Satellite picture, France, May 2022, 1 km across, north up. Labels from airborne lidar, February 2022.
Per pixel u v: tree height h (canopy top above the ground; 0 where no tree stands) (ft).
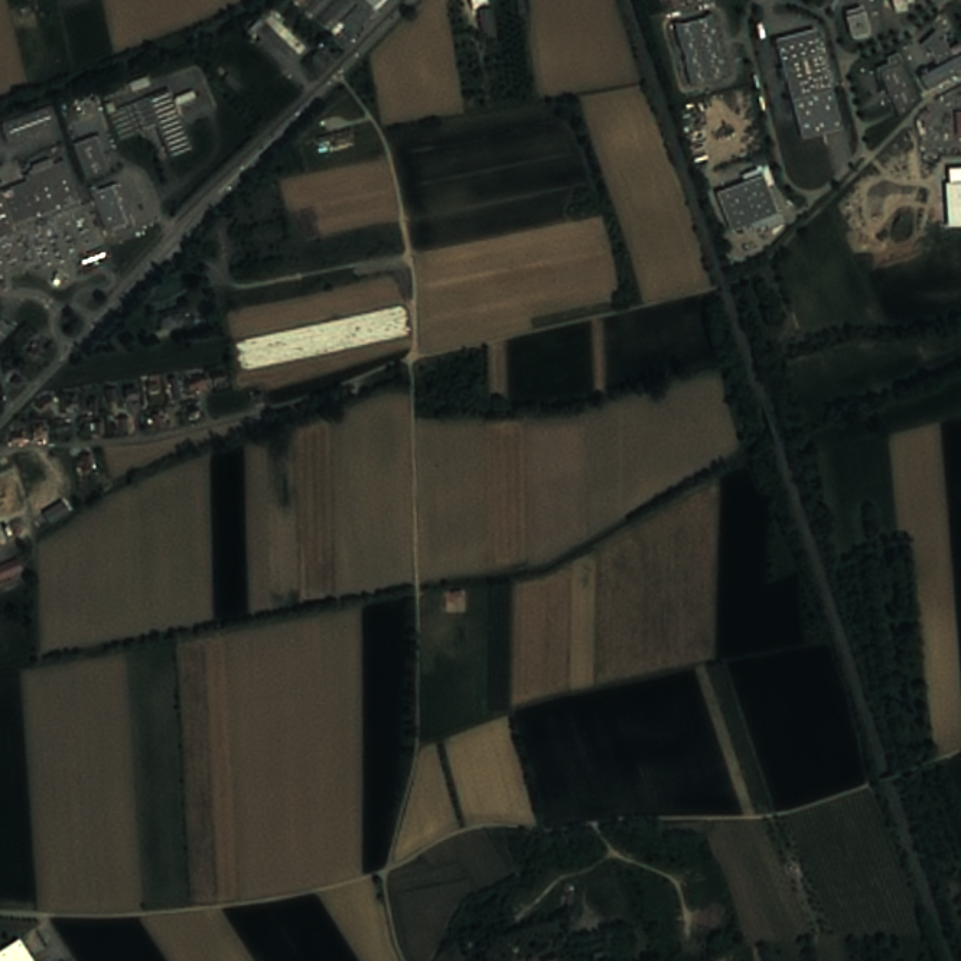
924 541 0
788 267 0
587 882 0
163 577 0
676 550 0
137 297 36
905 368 0
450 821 0
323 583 0
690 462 0
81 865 0
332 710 0
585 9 0
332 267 0
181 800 0
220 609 0
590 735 0
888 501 0
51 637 0
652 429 0
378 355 0
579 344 0
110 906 0
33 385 0
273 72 0
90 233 0
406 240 0
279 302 0
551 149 0
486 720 0
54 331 0
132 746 0
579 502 0
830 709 0
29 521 0
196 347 0
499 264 0
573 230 0
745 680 0
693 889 0
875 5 0
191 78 0
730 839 0
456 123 0
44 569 0
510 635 0
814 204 0
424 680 0
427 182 0
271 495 0
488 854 0
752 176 0
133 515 0
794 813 0
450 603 0
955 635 0
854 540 0
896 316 0
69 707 0
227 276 0
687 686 0
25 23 0
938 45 0
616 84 0
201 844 0
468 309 0
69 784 0
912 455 0
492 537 0
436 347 0
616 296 24
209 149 0
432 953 0
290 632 0
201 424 0
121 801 0
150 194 0
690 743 0
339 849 0
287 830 0
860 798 0
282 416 28
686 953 0
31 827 0
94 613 0
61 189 0
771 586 0
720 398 0
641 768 0
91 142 0
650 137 0
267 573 0
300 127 44
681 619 0
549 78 0
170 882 0
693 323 0
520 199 0
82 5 0
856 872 0
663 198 0
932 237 0
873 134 0
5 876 0
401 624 0
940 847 31
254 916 0
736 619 0
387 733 0
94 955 0
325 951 0
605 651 0
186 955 0
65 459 0
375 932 0
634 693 0
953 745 0
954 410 0
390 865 0
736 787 0
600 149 0
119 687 0
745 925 0
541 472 0
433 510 0
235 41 0
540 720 0
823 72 0
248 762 0
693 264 0
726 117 0
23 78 0
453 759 0
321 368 0
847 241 0
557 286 0
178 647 0
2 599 0
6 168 0
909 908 0
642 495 0
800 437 69
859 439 0
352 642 0
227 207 43
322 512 0
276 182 0
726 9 0
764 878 0
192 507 0
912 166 0
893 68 0
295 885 0
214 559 0
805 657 0
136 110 0
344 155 0
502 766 0
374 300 0
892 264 0
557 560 0
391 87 0
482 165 0
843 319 0
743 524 0
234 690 0
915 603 48
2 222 0
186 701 0
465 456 0
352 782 0
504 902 29
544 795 0
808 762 0
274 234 0
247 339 0
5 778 0
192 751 0
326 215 0
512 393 0
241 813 0
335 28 0
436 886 0
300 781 0
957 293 0
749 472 0
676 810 0
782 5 0
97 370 0
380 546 0
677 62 0
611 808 0
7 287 0
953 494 0
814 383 0
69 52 0
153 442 0
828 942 0
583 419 0
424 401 32
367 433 0
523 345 0
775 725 0
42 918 0
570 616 0
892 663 49
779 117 0
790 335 0
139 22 0
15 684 0
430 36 0
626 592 0
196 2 0
